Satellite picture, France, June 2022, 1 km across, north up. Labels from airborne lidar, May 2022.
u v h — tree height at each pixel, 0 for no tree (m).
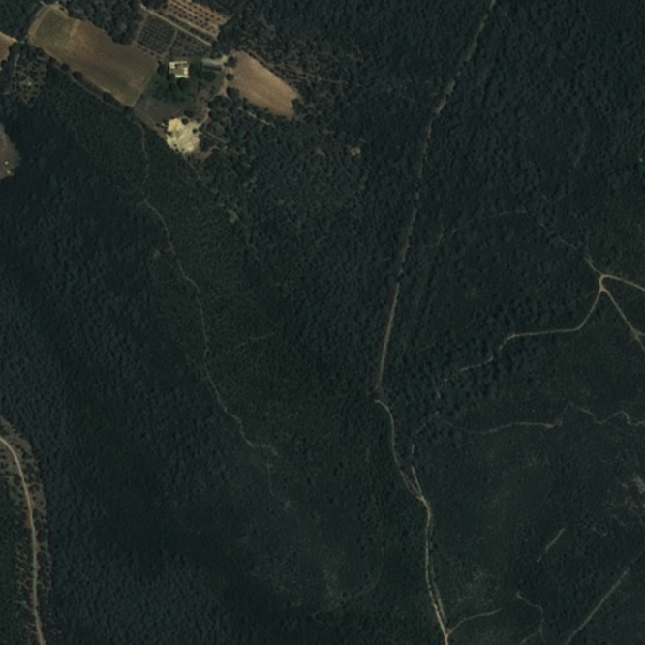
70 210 8
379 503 11
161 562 8
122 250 13
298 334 11
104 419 10
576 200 6
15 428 7
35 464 7
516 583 9
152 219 9
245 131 20
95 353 16
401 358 16
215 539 8
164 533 11
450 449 7
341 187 17
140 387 14
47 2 10
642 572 8
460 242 16
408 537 24
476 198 6
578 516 9
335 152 19
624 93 12
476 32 9
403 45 6
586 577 12
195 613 23
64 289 10
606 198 6
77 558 18
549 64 22
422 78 8
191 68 8
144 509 8
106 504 7
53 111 7
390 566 8
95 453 8
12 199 13
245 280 7
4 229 13
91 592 18
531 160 6
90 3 21
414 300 15
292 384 10
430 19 21
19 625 9
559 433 6
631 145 18
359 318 20
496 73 18
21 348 14
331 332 17
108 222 9
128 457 8
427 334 6
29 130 9
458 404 6
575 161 20
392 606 13
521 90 19
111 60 0
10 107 15
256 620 10
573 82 7
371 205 17
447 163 14
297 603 6
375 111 6
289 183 14
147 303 9
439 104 6
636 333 0
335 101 13
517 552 12
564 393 6
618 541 8
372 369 14
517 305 22
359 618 9
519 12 27
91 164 8
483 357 9
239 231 17
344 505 15
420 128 16
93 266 16
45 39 0
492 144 18
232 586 9
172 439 6
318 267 14
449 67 14
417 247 18
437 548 7
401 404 14
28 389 18
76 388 13
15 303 17
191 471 8
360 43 10
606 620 7
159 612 18
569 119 7
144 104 0
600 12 10
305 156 17
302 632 13
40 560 9
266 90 0
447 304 6
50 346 11
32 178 8
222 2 17
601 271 6
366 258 13
